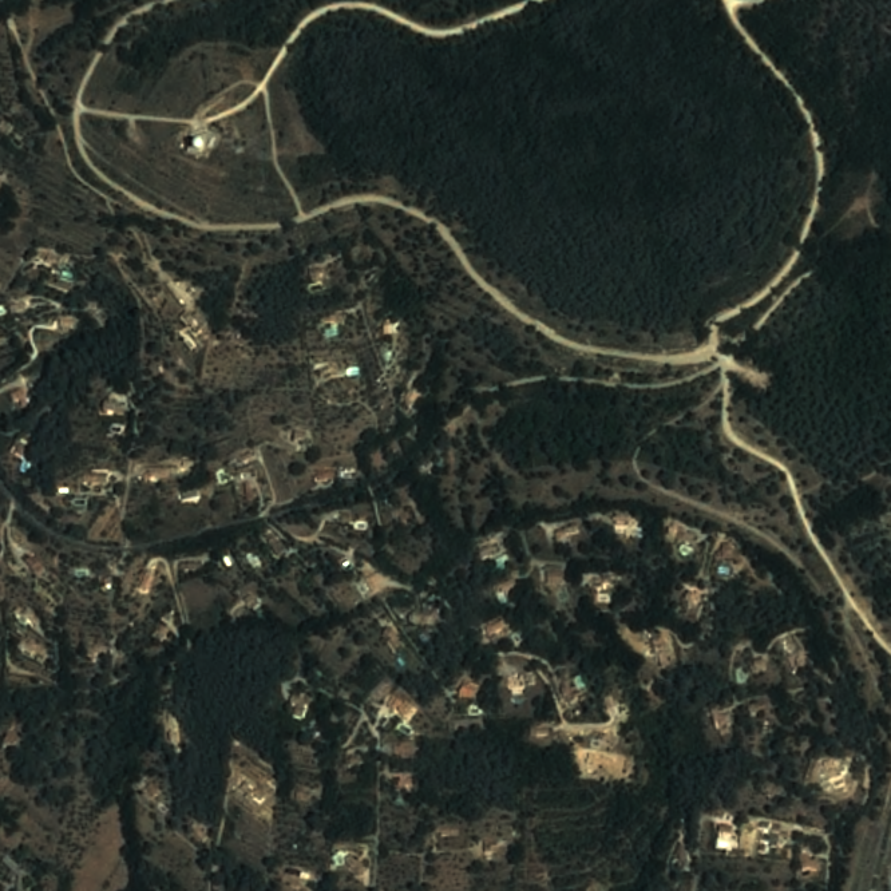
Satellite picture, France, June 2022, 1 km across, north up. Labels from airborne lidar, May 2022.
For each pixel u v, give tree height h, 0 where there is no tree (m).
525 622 19
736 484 8
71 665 8
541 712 7
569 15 18
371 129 17
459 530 16
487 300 6
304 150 0
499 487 16
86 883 0
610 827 9
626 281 13
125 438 8
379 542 13
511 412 9
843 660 10
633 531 0
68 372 13
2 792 0
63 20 0
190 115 0
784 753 12
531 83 17
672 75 17
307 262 20
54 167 0
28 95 14
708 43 18
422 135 16
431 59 15
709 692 22
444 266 13
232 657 17
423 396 8
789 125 17
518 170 18
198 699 14
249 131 0
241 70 0
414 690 15
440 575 13
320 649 0
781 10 16
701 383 8
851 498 12
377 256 11
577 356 0
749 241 9
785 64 17
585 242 16
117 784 11
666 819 10
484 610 19
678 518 10
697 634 10
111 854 0
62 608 7
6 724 17
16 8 14
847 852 11
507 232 18
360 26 8
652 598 14
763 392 14
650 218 15
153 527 7
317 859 7
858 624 0
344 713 15
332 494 7
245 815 0
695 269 14
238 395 12
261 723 12
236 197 0
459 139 17
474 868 9
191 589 0
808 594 11
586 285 12
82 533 17
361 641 18
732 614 22
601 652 11
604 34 14
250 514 8
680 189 16
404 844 14
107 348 14
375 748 7
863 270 13
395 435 13
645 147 15
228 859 20
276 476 0
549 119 20
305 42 8
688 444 10
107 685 20
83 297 19
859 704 15
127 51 16
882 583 11
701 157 16
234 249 19
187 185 0
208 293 12
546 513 12
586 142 17
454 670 18
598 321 14
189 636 14
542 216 16
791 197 14
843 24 10
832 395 15
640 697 9
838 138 12
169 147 0
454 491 7
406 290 13
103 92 0
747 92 16
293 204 0
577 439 20
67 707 13
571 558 6
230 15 8
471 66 14
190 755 20
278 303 16
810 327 7
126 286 9
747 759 22
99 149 0
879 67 18
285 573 15
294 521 9
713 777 18
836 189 9
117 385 13
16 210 11
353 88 20
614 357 0
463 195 18
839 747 13
